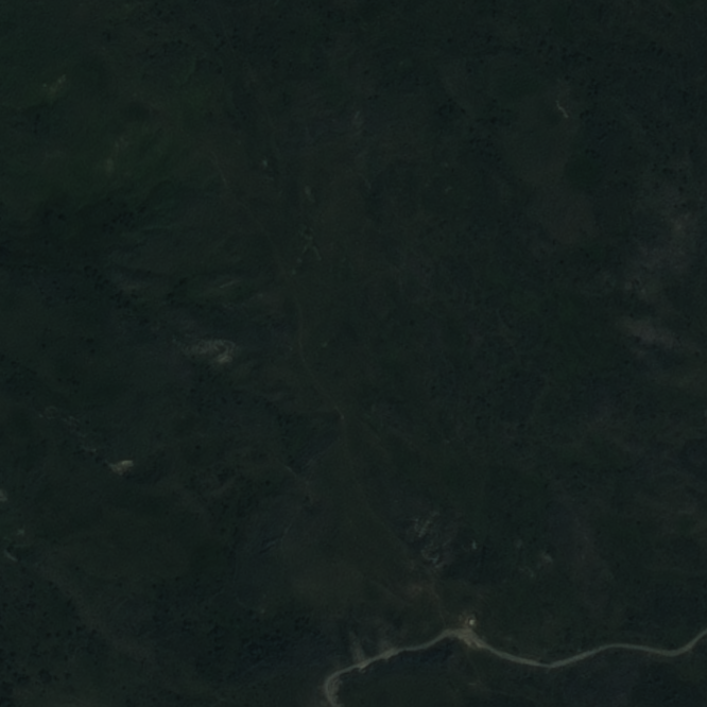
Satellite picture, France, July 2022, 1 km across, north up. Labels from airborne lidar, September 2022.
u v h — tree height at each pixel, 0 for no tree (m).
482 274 0
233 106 0
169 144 0
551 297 0
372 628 0
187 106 0
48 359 0
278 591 0
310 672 0
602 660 0
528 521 0
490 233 0
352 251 0
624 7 0
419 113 0
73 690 0
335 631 0
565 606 0
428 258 0
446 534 0
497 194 0
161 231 0
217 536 0
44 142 0
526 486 0
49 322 0
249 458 0
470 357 0
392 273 0
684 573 0
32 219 0
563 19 0
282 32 0
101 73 0
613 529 0
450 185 0
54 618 0
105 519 0
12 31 0
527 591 0
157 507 0
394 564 0
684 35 0
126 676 0
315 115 0
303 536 0
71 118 0
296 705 0
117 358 0
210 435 0
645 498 0
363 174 0
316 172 0
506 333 0
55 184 0
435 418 0
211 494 0
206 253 0
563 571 0
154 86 0
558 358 0
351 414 0
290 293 0
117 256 0
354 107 0
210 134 0
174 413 0
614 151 0
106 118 0
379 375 0
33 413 0
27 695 0
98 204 0
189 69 0
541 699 0
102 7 0
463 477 0
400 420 0
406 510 0
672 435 0
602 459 0
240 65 0
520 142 0
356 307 0
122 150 0
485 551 8
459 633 0
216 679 0
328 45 9
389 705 0
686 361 0
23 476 0
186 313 0
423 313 0
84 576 0
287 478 0
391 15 0
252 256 0
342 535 0
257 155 0
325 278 0
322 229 0
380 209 0
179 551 0
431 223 0
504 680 0
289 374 0
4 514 0
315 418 0
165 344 0
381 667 0
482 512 0
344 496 0
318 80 0
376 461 0
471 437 0
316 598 0
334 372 0
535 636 0
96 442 0
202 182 0
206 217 0
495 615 0
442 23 0
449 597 0
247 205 0
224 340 0
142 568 0
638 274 0
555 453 0
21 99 0
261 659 6
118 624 0
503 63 0
